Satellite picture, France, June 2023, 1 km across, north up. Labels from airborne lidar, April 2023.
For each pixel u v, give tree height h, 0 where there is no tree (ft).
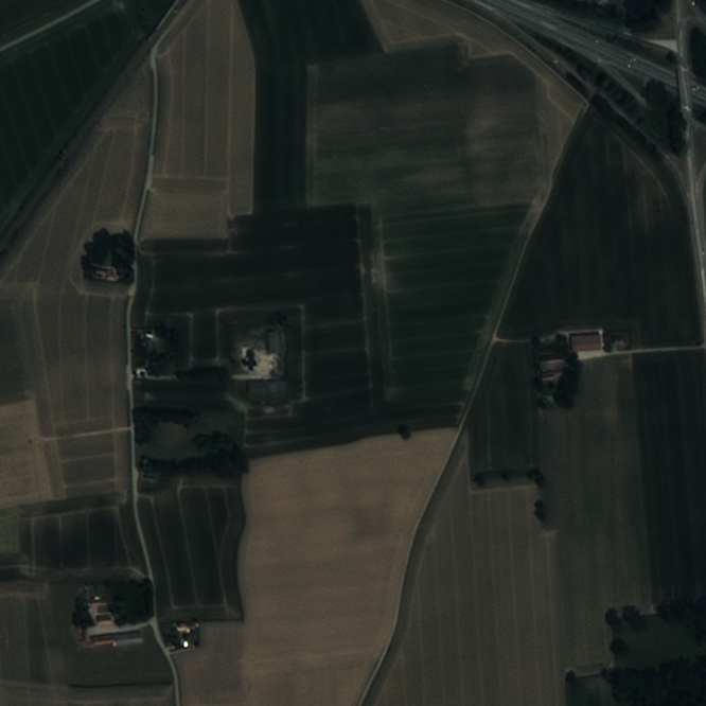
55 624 0
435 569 0
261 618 0
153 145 0
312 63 0
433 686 0
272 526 0
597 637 0
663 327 0
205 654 0
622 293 0
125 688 0
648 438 0
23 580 0
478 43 0
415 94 0
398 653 0
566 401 82
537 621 0
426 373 0
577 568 0
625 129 68
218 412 0
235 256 0
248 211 0
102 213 0
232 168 0
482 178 0
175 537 0
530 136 0
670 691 71
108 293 0
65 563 0
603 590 0
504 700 0
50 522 0
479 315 0
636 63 0
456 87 0
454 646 0
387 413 0
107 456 0
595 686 0
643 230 0
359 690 0
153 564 0
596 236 0
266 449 0
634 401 0
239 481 0
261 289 0
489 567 0
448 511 0
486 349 0
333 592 0
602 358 0
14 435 0
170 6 0
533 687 0
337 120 0
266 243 0
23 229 0
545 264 0
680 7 0
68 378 0
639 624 87
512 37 0
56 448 0
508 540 0
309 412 0
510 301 0
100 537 0
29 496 0
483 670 0
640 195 0
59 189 0
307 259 0
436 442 0
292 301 0
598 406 0
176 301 0
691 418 0
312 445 0
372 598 0
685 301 0
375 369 0
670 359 0
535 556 0
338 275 0
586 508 0
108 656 0
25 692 0
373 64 0
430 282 0
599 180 0
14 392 0
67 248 0
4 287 0
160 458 0
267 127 0
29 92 0
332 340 0
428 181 0
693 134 0
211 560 0
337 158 0
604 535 0
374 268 0
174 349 48
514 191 0
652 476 0
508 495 0
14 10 0
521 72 0
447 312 0
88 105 0
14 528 0
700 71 71
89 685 0
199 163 0
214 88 0
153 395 0
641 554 0
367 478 0
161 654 0
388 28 0
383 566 0
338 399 0
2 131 0
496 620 0
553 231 0
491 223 0
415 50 0
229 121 0
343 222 0
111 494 0
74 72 0
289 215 0
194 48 0
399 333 0
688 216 0
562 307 0
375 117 0
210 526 0
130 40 0
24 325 0
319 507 0
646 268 0
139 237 0
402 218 0
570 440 0
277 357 0
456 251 0
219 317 0
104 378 0
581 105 0
